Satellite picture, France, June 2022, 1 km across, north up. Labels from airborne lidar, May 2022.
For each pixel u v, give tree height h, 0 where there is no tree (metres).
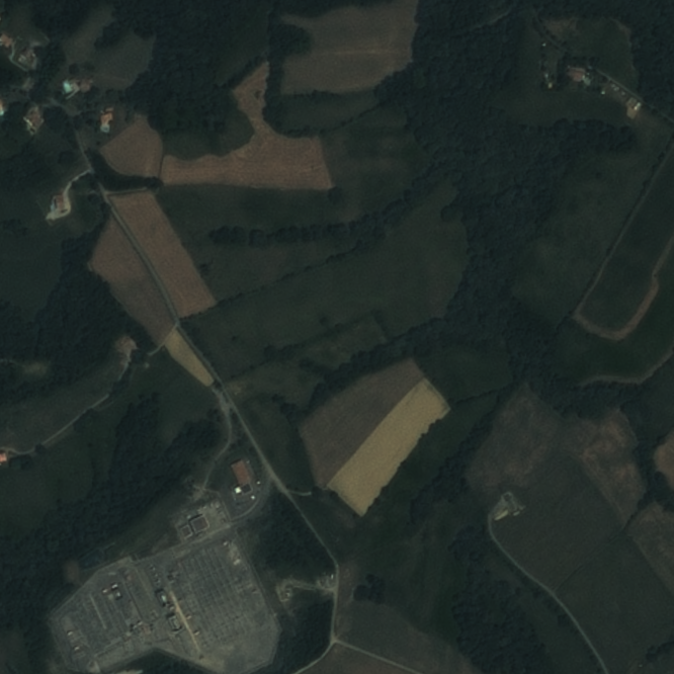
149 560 0
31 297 0
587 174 0
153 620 0
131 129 0
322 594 0
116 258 0
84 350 23
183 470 9
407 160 0
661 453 0
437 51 22
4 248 0
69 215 0
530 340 16
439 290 0
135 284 0
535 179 18
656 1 25
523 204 24
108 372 0
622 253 0
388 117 0
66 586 9
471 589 12
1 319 23
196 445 10
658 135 0
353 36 0
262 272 0
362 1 23
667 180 0
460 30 18
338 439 0
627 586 0
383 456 0
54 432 0
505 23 15
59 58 14
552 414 0
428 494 19
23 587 22
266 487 0
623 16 17
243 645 0
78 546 15
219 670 0
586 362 0
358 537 0
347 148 0
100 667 0
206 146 0
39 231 0
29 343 25
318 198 0
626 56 0
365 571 0
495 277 21
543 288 0
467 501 0
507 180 22
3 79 20
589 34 0
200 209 0
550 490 0
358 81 0
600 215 0
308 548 8
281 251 0
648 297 0
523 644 22
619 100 0
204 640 0
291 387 0
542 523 0
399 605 0
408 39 0
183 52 27
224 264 0
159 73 22
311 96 11
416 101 27
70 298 21
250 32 0
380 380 0
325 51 0
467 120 23
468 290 21
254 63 11
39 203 0
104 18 0
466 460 19
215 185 0
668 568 0
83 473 0
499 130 20
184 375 0
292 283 0
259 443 0
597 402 24
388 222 21
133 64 0
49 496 0
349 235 18
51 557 21
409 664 0
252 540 0
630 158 0
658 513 0
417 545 0
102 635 0
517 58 16
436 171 20
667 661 0
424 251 0
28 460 20
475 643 15
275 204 0
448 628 0
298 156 0
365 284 0
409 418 0
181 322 6
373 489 0
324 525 0
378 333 0
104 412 0
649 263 0
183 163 0
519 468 0
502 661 16
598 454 0
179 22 27
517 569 6
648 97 20
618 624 0
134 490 18
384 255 0
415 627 0
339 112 0
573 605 0
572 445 0
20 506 0
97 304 22
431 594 0
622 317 0
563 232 0
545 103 0
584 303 0
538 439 0
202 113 6
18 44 0
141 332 16
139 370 0
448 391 0
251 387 0
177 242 0
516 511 0
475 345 11
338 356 0
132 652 0
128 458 22
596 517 0
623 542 0
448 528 0
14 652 0
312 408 11
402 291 0
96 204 12
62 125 19
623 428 0
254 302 0
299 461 0
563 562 0
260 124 0
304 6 21
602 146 22
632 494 0
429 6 27
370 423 0
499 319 16
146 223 0
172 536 0
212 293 0
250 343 0
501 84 19
